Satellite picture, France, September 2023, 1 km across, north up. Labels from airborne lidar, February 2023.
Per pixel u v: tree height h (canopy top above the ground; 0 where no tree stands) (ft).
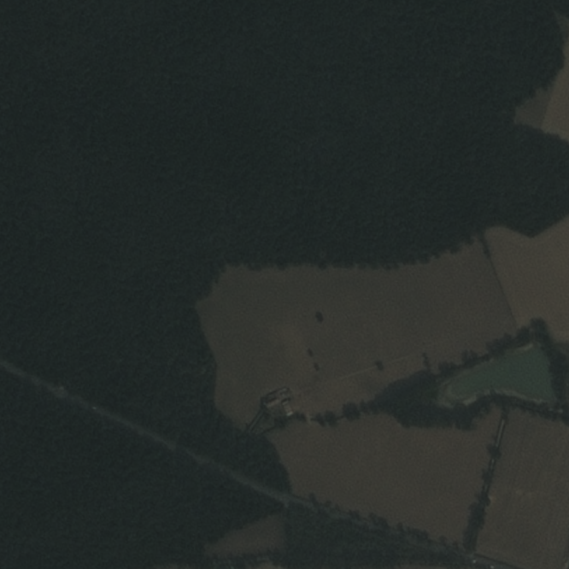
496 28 70
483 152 65
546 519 0
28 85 81
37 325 68
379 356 0
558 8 54
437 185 57
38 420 64
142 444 37
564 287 0
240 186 52
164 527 92
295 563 72
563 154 53
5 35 76
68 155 74
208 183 74
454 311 0
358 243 47
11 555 69
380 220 49
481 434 0
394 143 65
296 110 70
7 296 83
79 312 66
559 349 0
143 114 76
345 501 0
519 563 0
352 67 67
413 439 0
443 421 65
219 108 74
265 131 57
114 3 59
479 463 0
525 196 66
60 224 71
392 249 56
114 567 67
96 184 65
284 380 0
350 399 0
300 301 0
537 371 0
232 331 0
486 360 34
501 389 0
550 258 0
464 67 78
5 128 84
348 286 0
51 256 83
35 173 81
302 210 46
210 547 0
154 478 29
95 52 62
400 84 85
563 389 55
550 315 0
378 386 0
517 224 51
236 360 0
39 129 77
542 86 71
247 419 0
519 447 0
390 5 77
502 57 74
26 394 57
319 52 63
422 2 85
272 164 73
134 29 66
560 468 0
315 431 0
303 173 46
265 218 53
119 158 72
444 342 0
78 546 77
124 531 70
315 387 0
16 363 47
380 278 0
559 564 0
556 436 0
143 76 58
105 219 62
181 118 64
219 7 77
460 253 0
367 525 0
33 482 83
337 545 48
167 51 71
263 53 44
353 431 0
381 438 0
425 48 73
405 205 43
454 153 65
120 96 40
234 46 64
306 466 0
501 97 79
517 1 83
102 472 72
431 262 0
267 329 0
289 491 46
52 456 82
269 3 71
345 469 0
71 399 0
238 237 55
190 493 92
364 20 65
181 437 65
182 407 20
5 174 88
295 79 54
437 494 0
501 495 0
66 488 87
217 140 83
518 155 61
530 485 0
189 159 66
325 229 67
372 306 0
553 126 0
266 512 32
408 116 23
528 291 0
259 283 0
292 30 75
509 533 0
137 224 58
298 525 45
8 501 83
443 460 0
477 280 0
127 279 62
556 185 56
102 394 22
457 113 66
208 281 66
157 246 69
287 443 0
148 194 50
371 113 74
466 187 62
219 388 0
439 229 64
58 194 69
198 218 63
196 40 64
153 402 69
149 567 58
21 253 89
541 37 84
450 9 80
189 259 63
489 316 0
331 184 66
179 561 63
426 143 71
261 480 52
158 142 84
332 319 0
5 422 75
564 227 0
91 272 77
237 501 36
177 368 57
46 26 71
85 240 66
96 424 78
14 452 73
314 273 0
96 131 77
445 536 0
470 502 0
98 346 67
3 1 86
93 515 87
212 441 73
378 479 0
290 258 55
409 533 35
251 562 59
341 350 0
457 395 0
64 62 74
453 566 62
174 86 56
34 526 57
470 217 60
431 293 0
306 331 0
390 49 63
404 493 0
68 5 54
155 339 27
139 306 54
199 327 24
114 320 72
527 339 47
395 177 39
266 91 60
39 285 80
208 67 58
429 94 84
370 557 59
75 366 77
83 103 74
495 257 0
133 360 73
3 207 87
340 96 78
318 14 66
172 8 62
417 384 65
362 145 63
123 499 73
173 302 67
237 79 64
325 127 72
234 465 73
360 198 54
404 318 0
